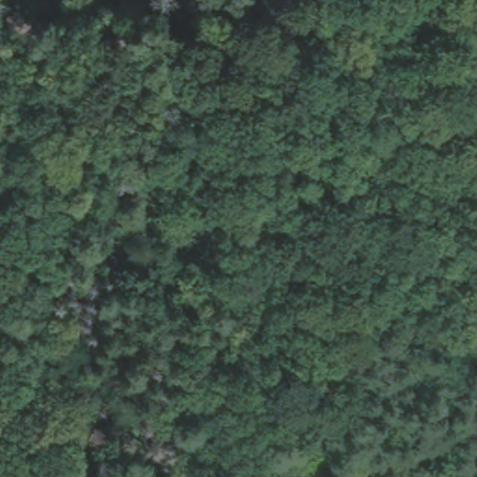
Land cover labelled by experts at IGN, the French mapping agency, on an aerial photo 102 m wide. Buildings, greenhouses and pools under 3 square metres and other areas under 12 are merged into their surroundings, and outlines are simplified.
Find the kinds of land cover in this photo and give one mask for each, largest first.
<instances>
[{"label":"deciduous trees","instance_id":"1","mask_svg":"<svg viewBox=\"0 0 477 477\"><path fill-rule=\"evenodd\" d=\"M15 6H20V19L26 24L17 26L15 30L7 22H2L0 26V330L6 324L17 320L32 324V335L22 339L26 352L19 354L15 361L4 363V371H0V477H84L88 473L86 443L89 425L108 416L110 412H114L117 423L132 430L134 436L153 438L157 434L158 440L170 438L173 419L181 416L183 412H205L211 421L205 423V427L199 430L198 434H190L188 440H181L175 445L184 451L196 453L199 460L220 464L227 477H265L263 473L268 464L276 462L279 453L287 457L293 455V451H304L306 447L317 442V438L339 440L348 430L358 427L365 417H371V406L367 401L369 388L367 382L361 380V376L378 358V350H388L393 343L408 345V352L402 360L406 361L408 371L417 363L430 360V350H440L447 356L471 354L477 360V0H9ZM140 188H145L149 192L145 209V229L117 237L114 246L117 253H125L129 257L130 253L136 250L166 252L170 244H175L179 248L175 253V261L198 265L203 276L209 279V285L203 289L216 294V298L224 307L240 311L253 302H265V311L261 315L259 328L252 337L246 332H238L233 339V345L218 350L216 356L212 352H201L194 360L184 358L179 375L168 382L170 386H181L179 397L173 401L164 393H155L153 399H149V412L136 410L130 404H125L130 395L129 388H123L117 382L116 376L99 382V378L91 373V367L86 361L88 354L78 345V324L61 326L56 322H47V315L58 309L52 306V298L65 293L67 279L84 281V265L78 263V257H82L91 246L89 240L108 235L114 227H119V222L125 218V212L134 211L138 207L136 192Z\"/></svg>","mask_w":477,"mask_h":477},{"label":"coniferous trees","instance_id":"2","mask_svg":"<svg viewBox=\"0 0 477 477\"><path fill-rule=\"evenodd\" d=\"M20 6H15L9 0H0V26L2 22H7L15 30L17 26L26 24L20 19ZM138 207L134 211L125 212V218L119 222V227H114L108 235L89 240L91 246L82 257H78V263L84 265V281L67 279L65 293L52 298V306L58 309L47 315V322H56L61 326L78 324V345L88 354L86 361L91 367V373L99 378V382L116 376L117 382L123 388H129L130 395L125 404H130L136 410L149 412V399H153L155 393H164L173 401L179 397L181 386H170L168 382L179 375L184 358L194 360L201 352H212L216 356L218 350L233 345V339L238 332H246L252 337L259 328L261 315L265 311V302H253L240 311L224 307L216 298V294L203 289L209 285V279L203 276L198 265L175 261V253L179 248L175 244H170L166 252L136 250L130 253L129 257L125 253H117L114 246L117 237L145 229V209L149 192L145 188H140L136 192ZM32 335V324L17 320L6 324L0 330V371H4V363L15 361L19 354L26 352L22 339ZM408 352V345L393 343L388 350H378V358L361 376V380L367 382L369 388L367 401L371 406V417H365L358 427L348 430L339 440L317 438V442L306 447L304 451H293V455L287 457L279 453L276 462L268 464L263 473L265 477H477V360L471 354L447 356L440 350H430V360L417 363L408 371L406 361L402 360ZM211 421L205 412H183L181 416L173 419L170 438L158 440L157 434L153 438L134 436L132 430L117 423L114 412H110L108 416L89 425L86 443L88 473L84 477H227L220 464L199 460L196 453L184 451L175 445L181 440H188L190 434H198L199 430L205 427V423Z\"/></svg>","mask_w":477,"mask_h":477}]
</instances>
